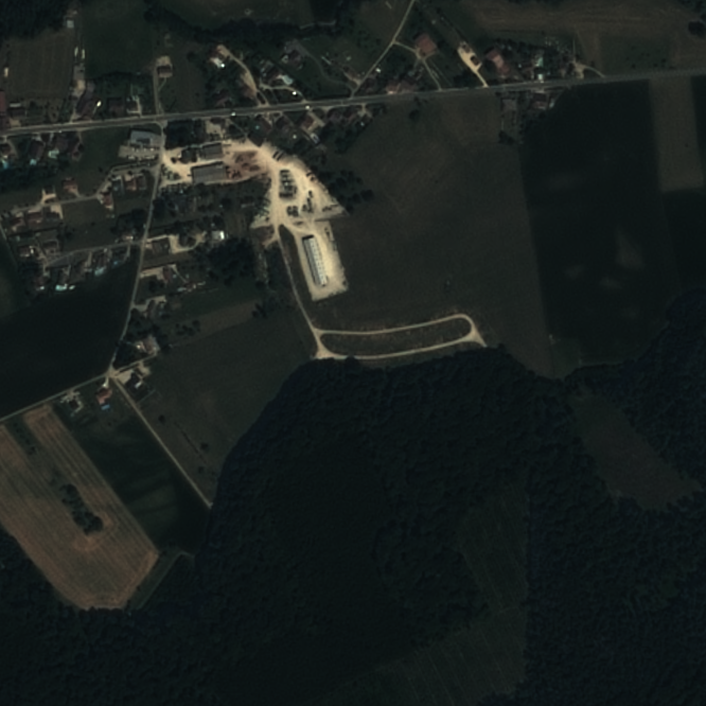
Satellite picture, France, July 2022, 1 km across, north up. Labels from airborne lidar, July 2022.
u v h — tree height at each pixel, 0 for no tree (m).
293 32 9
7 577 19
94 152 0
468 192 0
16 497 0
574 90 0
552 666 24
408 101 0
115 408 0
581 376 9
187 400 0
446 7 0
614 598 13
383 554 24
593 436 0
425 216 0
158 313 0
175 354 0
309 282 0
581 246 0
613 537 18
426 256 0
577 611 21
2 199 0
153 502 0
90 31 0
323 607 7
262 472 21
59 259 0
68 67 0
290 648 9
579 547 11
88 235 0
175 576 6
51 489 0
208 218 6
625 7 0
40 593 24
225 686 12
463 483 22
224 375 0
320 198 0
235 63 5
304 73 0
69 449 0
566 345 0
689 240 0
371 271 0
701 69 0
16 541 11
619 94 0
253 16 0
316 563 9
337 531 8
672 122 0
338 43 0
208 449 10
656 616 19
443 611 10
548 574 13
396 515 7
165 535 0
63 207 0
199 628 27
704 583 26
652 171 0
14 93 0
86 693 24
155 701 22
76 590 0
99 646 24
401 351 0
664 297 0
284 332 0
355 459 11
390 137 0
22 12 28
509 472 22
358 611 8
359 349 0
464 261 0
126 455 0
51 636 11
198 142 9
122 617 23
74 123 0
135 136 0
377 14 0
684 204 0
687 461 22
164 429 0
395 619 8
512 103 0
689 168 0
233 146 0
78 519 11
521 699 17
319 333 0
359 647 8
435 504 27
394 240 0
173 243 0
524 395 24
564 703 24
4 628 15
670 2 0
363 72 0
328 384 24
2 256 0
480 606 21
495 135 0
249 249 14
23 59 0
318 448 9
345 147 7
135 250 6
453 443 24
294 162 0
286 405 26
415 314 0
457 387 20
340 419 22
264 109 0
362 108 0
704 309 26
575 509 24
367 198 12
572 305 0
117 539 0
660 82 0
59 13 14
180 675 27
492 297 0
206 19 0
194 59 13
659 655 18
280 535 8
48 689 20
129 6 0
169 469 0
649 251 0
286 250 0
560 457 24
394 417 25
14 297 0
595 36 0
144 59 0
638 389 25
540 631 13
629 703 23
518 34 0
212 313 0
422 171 0
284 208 0
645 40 0
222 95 0
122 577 0
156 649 26
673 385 16
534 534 17
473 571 21
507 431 22
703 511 15
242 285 0
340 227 0
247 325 0
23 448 0
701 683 21
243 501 24
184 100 0
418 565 23
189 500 0
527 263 0
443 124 0
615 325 0
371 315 0
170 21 26
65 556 0
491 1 0
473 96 0
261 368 0
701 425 18
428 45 0
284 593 21
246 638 19
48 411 0
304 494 10
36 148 0
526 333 0
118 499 0
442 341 0
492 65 15
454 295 0
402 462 27
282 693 10
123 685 28
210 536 14
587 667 14
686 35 0
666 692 24
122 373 0
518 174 0
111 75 8
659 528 30
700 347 31
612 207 0
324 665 7
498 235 0
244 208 0
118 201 0
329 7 0
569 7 0
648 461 0
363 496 9
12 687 14
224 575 24
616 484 0
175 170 0
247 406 0
